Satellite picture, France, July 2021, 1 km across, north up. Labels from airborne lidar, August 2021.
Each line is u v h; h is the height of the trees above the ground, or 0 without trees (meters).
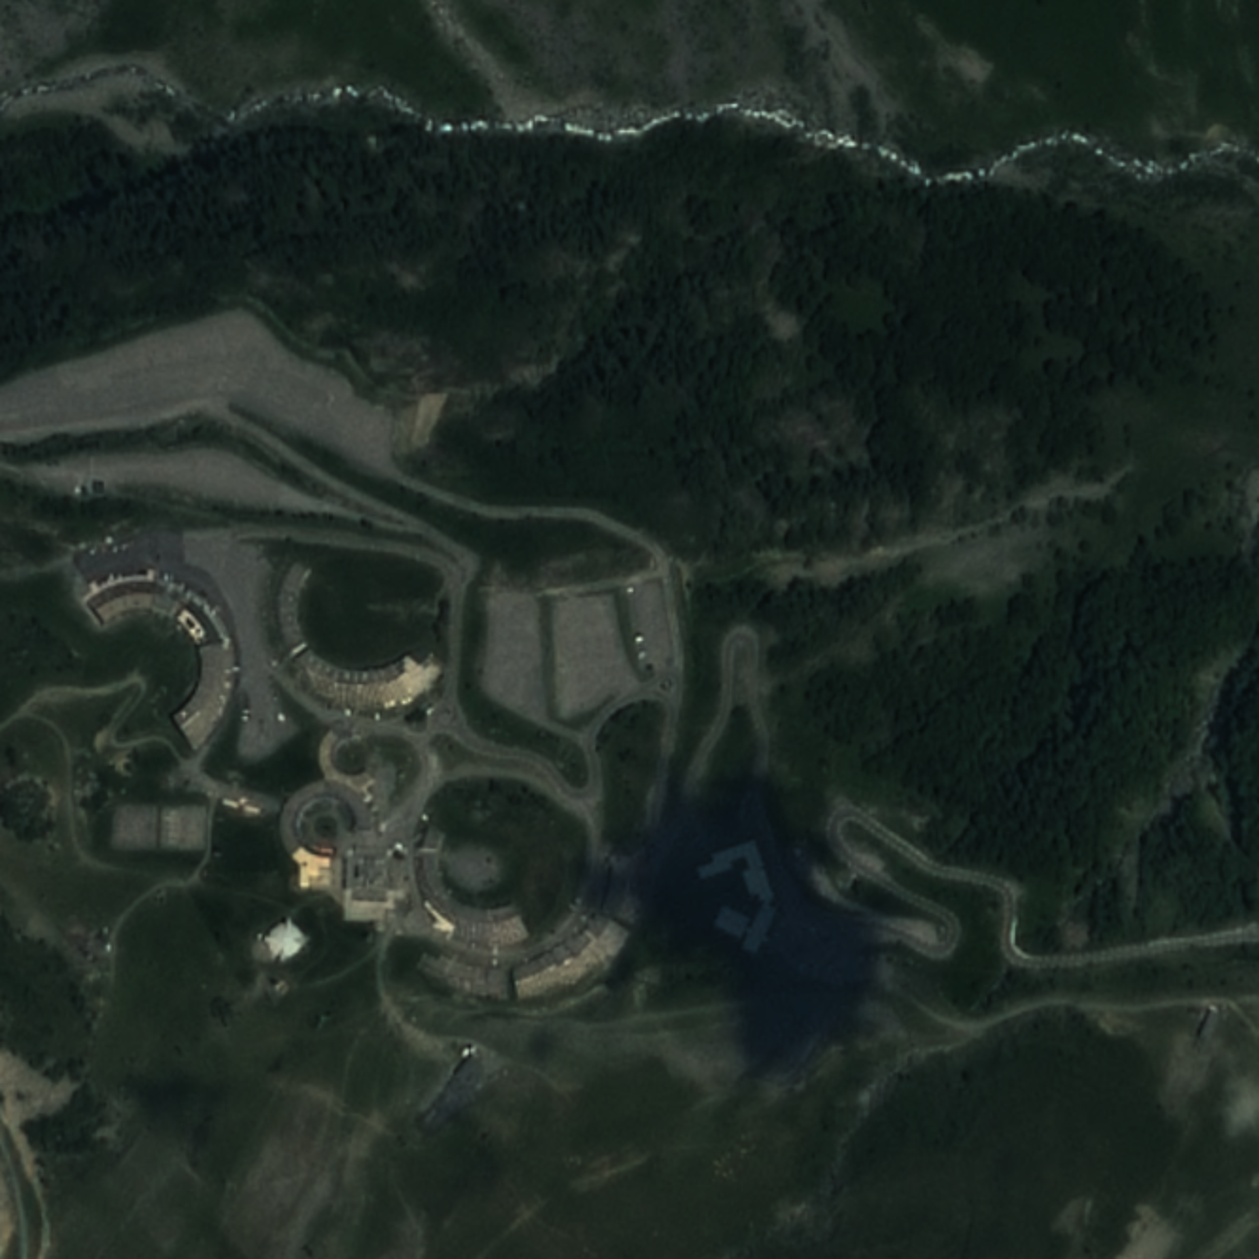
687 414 6
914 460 13
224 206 8
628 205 7
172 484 0
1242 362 0
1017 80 0
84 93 0
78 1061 8
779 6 0
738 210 11
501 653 0
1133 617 19
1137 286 20
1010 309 20
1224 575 12
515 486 0
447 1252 0
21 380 0
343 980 0
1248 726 24
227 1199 0
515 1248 0
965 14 0
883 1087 0
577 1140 0
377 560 0
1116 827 12
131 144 8
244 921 0
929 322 19
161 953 0
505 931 0
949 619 14
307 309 0
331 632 0
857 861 0
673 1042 0
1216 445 0
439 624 13
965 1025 0
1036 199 21
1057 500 8
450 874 0
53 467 0
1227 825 0
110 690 0
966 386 17
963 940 0
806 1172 0
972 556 0
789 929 0
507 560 0
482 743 0
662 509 0
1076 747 18
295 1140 0
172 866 0
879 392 10
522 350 0
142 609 0
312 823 0
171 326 0
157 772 0
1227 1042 0
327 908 0
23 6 0
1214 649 7
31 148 13
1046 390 11
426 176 8
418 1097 0
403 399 0
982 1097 0
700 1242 0
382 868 0
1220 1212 0
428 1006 0
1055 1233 0
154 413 0
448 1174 0
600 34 0
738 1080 0
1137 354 12
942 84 0
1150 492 0
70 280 8
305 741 0
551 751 0
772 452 15
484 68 0
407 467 0
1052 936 11
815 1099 0
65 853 0
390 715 0
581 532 0
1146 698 18
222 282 0
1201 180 7
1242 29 0
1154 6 0
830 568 0
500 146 11
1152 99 0
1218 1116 0
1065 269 22
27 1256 0
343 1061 0
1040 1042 0
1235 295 0
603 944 0
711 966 0
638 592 0
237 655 0
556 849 0
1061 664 20
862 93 7
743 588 14
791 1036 0
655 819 0
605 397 13
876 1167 0
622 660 0
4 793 6
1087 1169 0
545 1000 0
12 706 0
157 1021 0
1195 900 10
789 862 0
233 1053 0
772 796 0
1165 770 21
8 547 0
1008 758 20
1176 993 0
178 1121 0
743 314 11
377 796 0
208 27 0
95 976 0
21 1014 0
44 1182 7
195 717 0
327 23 0
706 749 0
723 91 0
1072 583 12
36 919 0
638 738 0
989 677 15
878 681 9
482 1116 0
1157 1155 0
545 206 14
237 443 0
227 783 0
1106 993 0
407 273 0
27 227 11
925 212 19
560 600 0
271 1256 0
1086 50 0
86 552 0
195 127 7
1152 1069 0
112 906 0
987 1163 0
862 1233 0
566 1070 0
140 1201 0
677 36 0
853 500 15
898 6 0
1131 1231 0
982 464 11
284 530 0
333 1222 0
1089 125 6
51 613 0
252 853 0
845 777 0
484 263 12
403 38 0
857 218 15
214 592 0
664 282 9
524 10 0
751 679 0
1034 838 16
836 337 17
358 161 17
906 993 0
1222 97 0
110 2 0
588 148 8
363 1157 0
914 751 11
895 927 0
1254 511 0
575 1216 0
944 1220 0
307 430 0
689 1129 0
